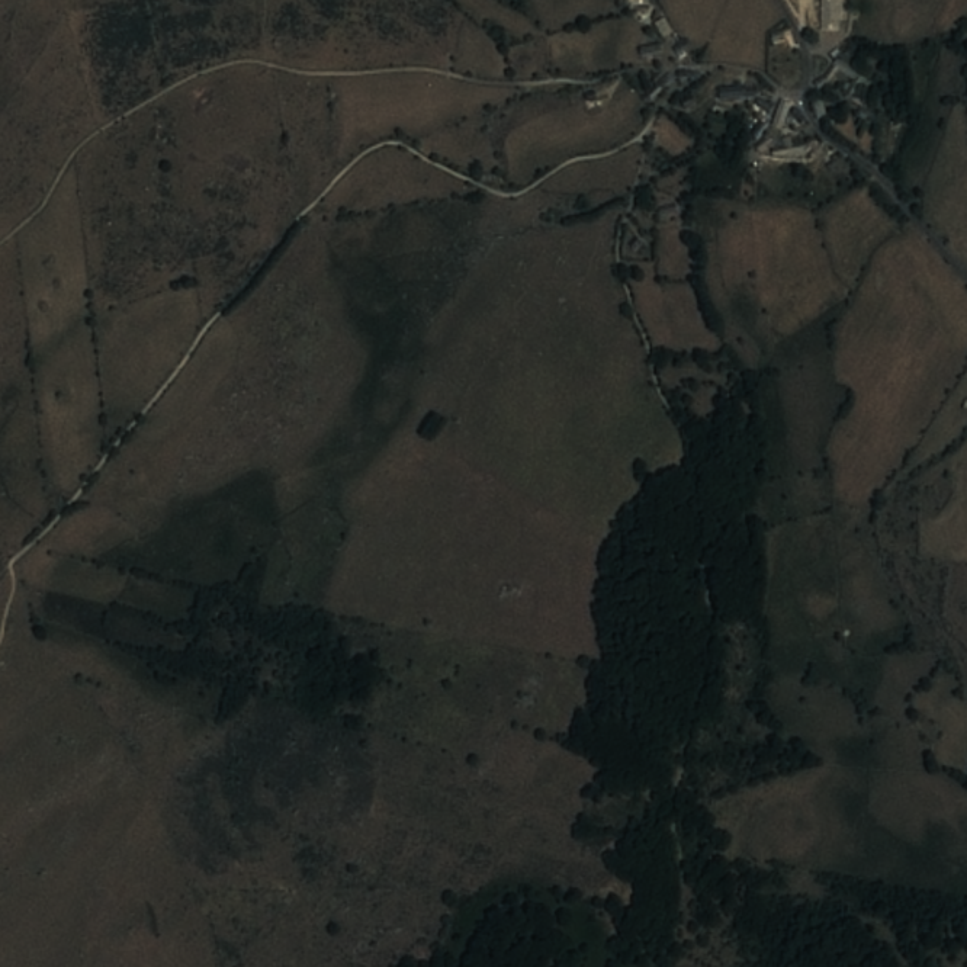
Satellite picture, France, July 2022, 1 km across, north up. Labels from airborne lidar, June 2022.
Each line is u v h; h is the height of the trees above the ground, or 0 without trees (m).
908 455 7
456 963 14
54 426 0
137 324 0
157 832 0
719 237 0
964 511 0
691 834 15
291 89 0
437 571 0
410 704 0
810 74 0
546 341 0
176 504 0
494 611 0
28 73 0
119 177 0
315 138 0
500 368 0
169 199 0
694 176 6
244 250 0
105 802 0
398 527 0
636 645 14
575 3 0
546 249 0
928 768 13
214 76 0
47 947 0
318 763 0
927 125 0
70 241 0
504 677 0
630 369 0
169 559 0
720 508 20
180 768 0
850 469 0
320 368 0
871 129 10
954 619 0
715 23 0
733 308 0
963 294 0
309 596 0
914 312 0
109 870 0
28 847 0
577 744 18
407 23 0
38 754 0
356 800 0
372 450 0
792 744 7
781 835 0
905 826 0
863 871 0
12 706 0
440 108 0
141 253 0
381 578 0
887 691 0
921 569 0
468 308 0
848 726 0
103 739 0
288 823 0
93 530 0
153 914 0
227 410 0
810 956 19
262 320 0
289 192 0
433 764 0
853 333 0
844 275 0
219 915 0
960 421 0
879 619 0
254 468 0
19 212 0
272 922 0
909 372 0
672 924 19
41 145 0
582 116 0
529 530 0
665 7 0
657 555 27
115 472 0
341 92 0
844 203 0
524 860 0
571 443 0
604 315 0
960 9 0
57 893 0
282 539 0
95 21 0
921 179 0
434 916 0
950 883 0
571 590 0
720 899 6
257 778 0
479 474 0
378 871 0
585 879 0
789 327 0
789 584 0
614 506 0
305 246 0
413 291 0
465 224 0
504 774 0
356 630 0
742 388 9
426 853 0
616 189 0
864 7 0
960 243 0
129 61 0
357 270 0
